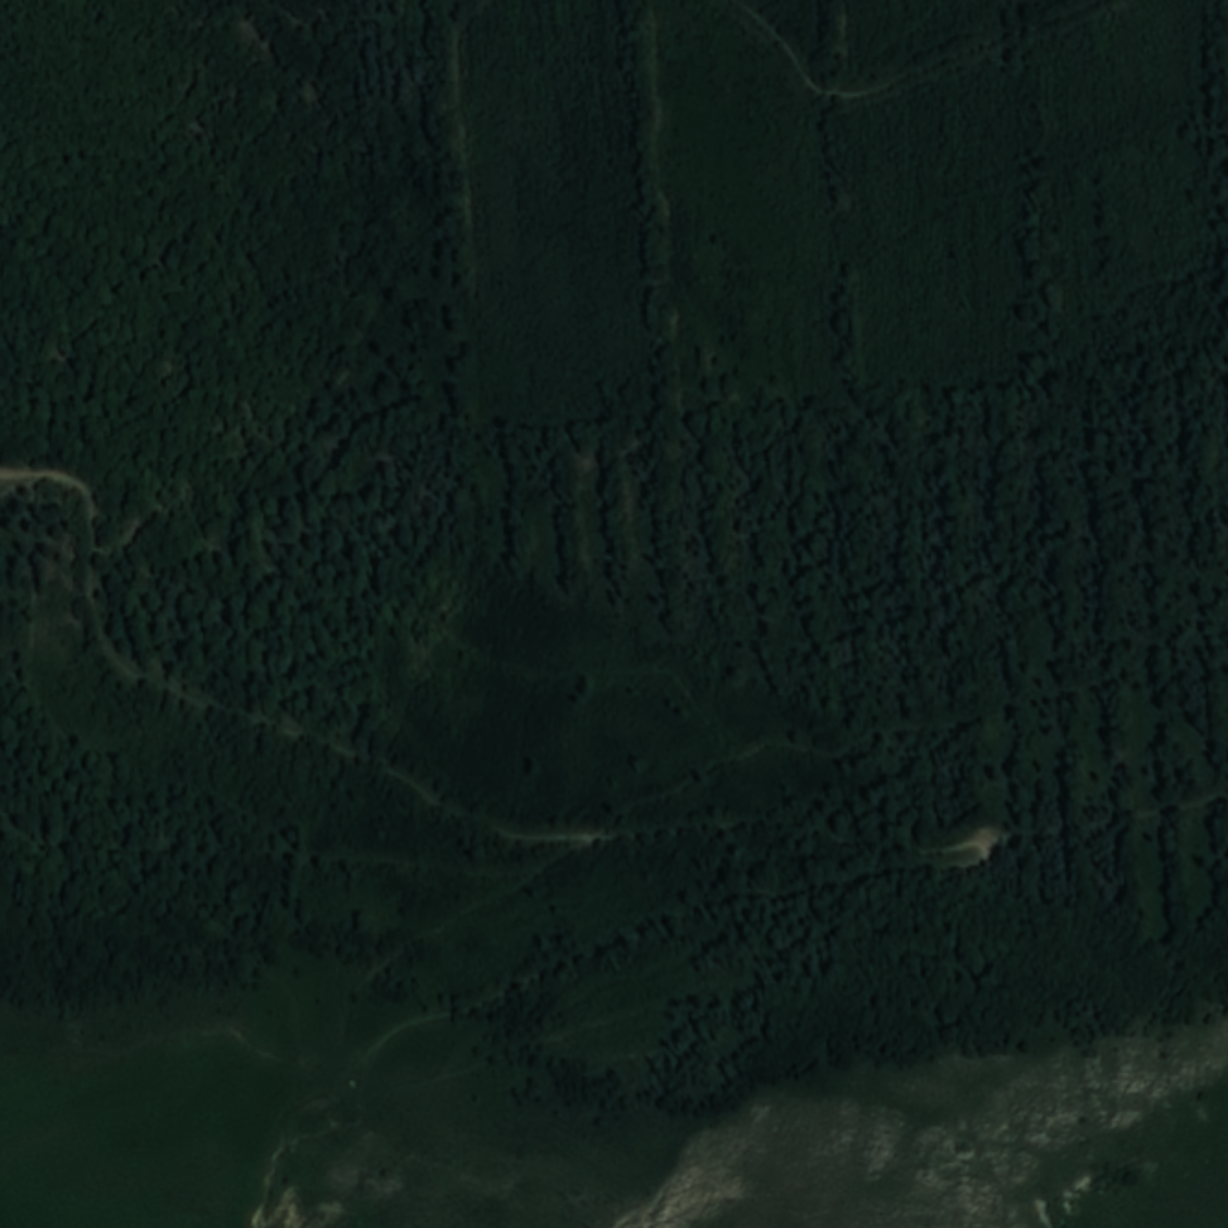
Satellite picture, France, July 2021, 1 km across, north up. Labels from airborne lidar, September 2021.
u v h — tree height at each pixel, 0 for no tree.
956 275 6
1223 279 14
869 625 20
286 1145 0
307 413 8
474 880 5
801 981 20
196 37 12
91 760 23
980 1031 19
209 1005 0
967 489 8
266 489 18
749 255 9
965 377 7
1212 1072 0
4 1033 0
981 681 9
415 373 16
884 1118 0
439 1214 0
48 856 20
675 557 24
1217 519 18
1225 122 22
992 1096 0
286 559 24
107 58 21
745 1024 17
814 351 6
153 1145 0
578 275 7
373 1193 0
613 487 20
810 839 13
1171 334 8
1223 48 22
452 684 10
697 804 6
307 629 24
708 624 6
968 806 22
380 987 6
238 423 25
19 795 17
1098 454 25
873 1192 0
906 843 18
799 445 26
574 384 6
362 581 20
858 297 14
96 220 24
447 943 5
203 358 28
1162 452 24
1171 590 26
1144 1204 0
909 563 19
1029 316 25
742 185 0
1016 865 21
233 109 15
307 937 10
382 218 12
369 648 25
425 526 16
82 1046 0
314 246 19
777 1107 0
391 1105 0
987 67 7
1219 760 20
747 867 7
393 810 13
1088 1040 12
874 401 20
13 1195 0
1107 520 27
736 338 7
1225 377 14
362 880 15
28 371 21
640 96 21
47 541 24
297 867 26
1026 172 8
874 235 8
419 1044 0
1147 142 6
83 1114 0
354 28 17
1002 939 21
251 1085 0
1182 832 19
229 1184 0
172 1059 0
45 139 22
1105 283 12
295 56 20
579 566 21
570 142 7
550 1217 0
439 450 20
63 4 27
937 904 23
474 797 10
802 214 6
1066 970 20
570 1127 0
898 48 6
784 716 7
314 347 22
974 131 7
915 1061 7
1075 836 23
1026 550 9
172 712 9
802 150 7
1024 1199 0
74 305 16
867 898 23
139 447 21
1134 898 26
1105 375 7
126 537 12
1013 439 19
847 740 6
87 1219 0
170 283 23
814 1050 14
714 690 8
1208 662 22
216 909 14
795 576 17
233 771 6
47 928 19
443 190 18
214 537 26
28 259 25
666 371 19
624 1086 10
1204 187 6
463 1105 0
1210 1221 0
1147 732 0
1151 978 19
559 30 7
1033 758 8
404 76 19
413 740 6
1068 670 17
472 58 7
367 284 9
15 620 23
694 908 19
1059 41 8
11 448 24
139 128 24
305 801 8
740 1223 0
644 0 20
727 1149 0
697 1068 15
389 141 10
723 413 26
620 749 6
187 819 21
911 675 11
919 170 6
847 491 9
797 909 19
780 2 7
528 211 7
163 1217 0
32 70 22
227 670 27
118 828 23
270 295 17
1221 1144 0
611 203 6
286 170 17
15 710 22
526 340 7
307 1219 0
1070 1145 0
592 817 8
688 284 7
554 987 6
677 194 7
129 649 29
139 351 26
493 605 6
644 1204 0
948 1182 0
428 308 16
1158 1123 0
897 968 22
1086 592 15
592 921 6
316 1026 0
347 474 26
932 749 9
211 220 24
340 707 7
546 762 6
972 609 22
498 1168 0
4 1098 0
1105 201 9
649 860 8
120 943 18
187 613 29
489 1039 6
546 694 7
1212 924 19
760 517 24
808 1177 0
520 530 23
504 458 8
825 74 7
